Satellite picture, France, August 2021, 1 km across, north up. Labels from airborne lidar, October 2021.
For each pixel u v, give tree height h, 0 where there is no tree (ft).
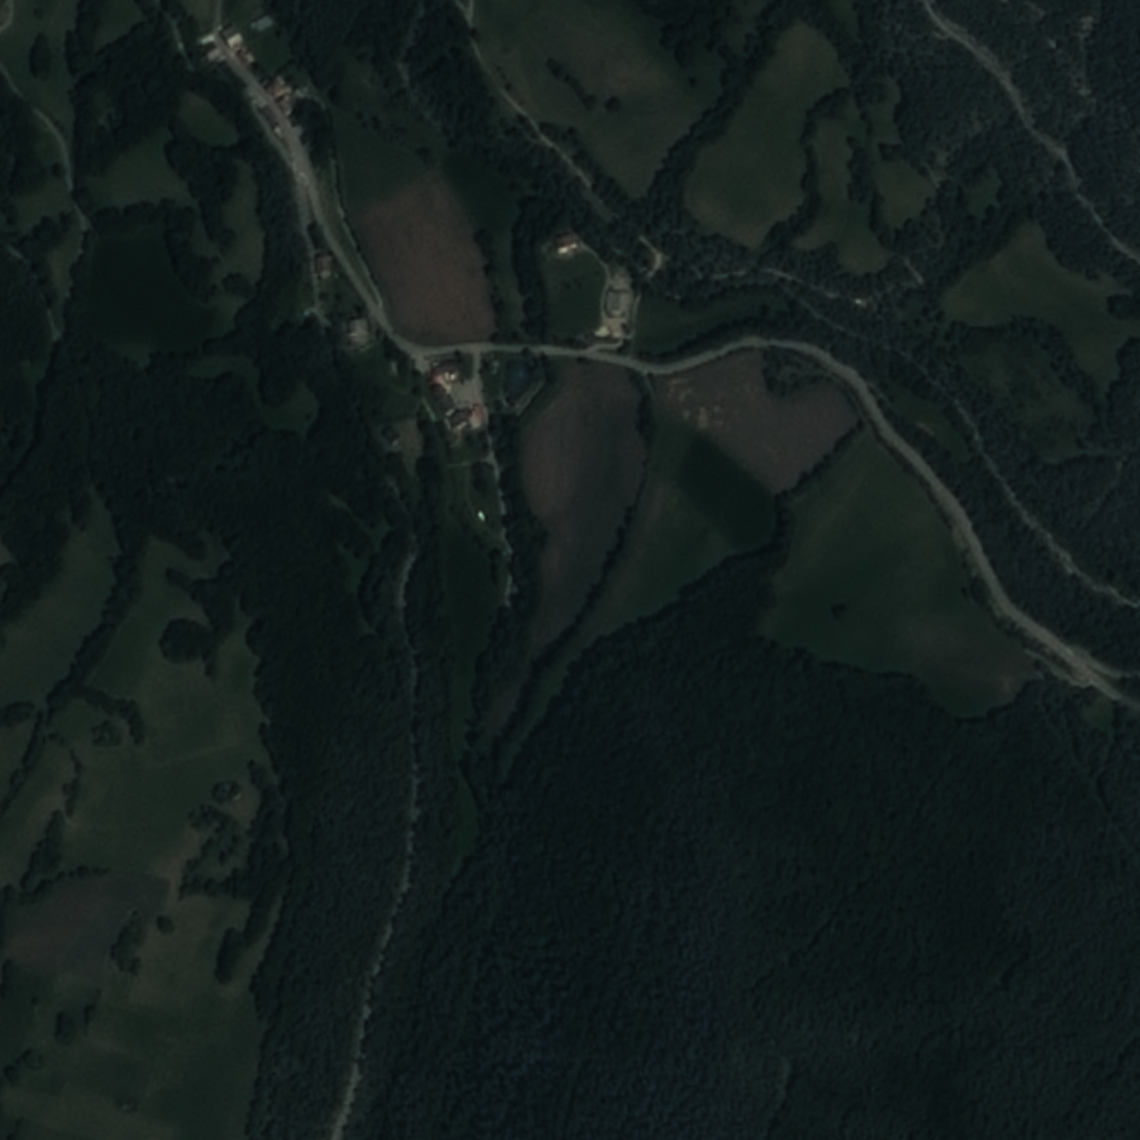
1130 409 50
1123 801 59
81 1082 0
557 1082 50
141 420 71
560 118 0
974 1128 62
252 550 80
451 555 0
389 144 39
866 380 46
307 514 94
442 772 52
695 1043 37
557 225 87
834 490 0
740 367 0
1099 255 53
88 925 0
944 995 56
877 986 61
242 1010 0
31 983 0
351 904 62
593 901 67
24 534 48
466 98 41
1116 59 46
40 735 34
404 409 0
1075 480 55
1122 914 61
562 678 0
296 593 87
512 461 59
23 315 91
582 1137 37
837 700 76
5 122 66
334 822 65
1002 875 57
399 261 0
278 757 45
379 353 0
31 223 0
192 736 0
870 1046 35
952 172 31
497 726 0
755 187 0
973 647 0
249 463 81
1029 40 26
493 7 0
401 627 64
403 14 52
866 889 64
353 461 82
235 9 0
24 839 0
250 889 56
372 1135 52
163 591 0
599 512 0
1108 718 0
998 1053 62
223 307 0
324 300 21
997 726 55
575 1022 59
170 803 0
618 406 0
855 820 78
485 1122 47
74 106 22
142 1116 0
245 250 0
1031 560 50
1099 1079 49
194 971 0
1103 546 47
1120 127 20
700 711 82
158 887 0
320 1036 60
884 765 76
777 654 59
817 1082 67
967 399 42
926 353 51
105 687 0
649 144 0
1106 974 61
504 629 57
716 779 50
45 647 0
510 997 52
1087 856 54
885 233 43
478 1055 43
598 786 90
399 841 73
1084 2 46
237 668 0
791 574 0
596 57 0
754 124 0
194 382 53
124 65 29
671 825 52
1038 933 56
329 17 75
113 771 0
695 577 0
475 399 0
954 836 80
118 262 0
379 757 60
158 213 39
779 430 0
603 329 0
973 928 62
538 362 39
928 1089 70
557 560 0
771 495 0
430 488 32
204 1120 0
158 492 69
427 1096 65
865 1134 39
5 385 94
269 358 55
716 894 32
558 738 74
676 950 39
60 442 64
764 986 42
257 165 50
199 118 0
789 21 35
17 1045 0
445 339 0
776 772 84
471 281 0
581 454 0
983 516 62
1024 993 59
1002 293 0
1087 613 57
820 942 64
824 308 41
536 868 63
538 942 57
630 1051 54
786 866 93
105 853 0
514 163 33
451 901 56
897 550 0
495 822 66
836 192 0
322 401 45
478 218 0
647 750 80
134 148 43
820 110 29
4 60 0
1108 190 44
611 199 55
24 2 0
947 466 72
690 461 0
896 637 0
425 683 49
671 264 21
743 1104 25
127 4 0
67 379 77
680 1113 40
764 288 27
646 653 88
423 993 56
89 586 0
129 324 0
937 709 68
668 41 50
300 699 77
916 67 26
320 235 58
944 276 36
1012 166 46
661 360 26
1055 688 42
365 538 44
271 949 25
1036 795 70
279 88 0
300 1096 50
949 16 24
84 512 66
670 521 0
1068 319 0
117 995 0
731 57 63
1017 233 26
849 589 0
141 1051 0
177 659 36
